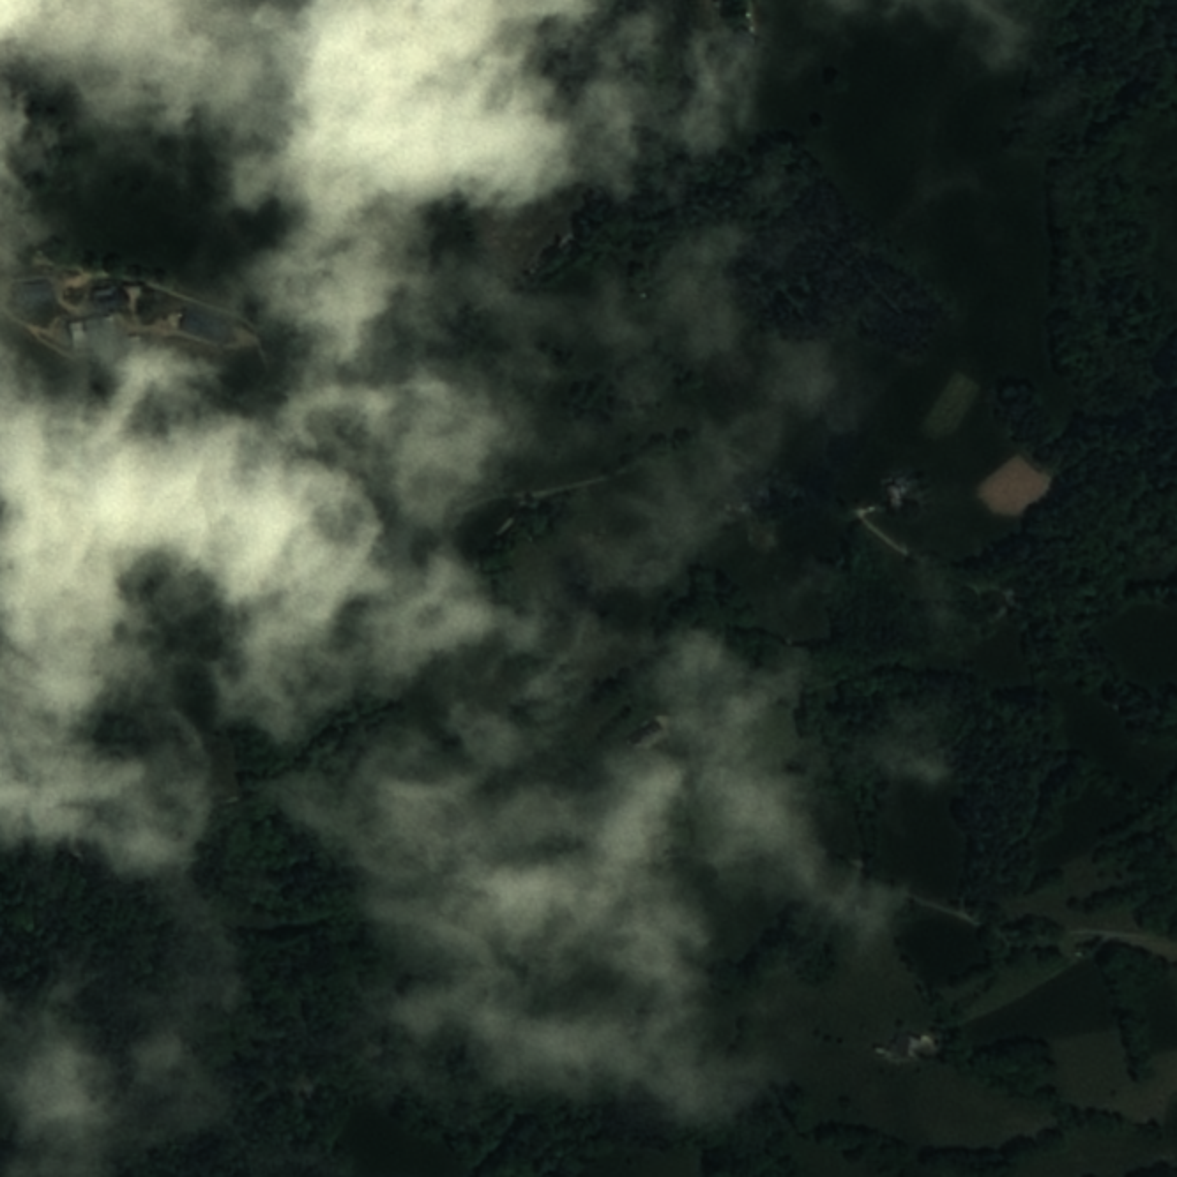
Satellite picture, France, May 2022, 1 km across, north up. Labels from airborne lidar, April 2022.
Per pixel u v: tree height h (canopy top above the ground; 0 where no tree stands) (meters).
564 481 0
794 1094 20
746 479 16
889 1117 0
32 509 0
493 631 0
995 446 0
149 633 11
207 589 0
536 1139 27
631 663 0
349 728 17
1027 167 0
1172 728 22
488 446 0
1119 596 19
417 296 10
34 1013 22
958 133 0
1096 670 25
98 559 0
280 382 0
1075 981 0
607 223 21
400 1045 22
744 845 0
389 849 25
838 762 16
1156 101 28
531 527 24
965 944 0
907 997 0
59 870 22
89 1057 28
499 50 26
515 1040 22
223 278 0
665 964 0
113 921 21
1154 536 24
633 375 14
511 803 0
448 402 21
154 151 0
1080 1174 0
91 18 0
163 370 0
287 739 15
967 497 0
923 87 0
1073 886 0
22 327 0
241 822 13
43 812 25
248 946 25
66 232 0
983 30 0
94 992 22
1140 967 23
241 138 11
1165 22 36
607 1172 0
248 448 0
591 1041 0
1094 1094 0
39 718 15
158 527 16
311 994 24
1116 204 29
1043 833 15
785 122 0
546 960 26
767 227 30
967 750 23
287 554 0
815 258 29
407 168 0
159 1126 27
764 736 0
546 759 0
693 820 0
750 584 0
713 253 25
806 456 0
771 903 0
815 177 24
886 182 0
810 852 0
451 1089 25
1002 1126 0
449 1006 21
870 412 0
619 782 22
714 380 0
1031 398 20
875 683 22
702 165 24
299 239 0
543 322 0
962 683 20
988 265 0
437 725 0
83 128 21
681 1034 31
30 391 0
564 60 29
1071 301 23
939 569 20
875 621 20
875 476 0
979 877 18
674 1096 28
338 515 15
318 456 18
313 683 8
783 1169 30
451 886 24
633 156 23
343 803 16
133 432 18
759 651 24
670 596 9
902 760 25
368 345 18
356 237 0
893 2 0
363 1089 24
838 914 19
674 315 0
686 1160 0
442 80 0
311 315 0
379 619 22
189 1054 26
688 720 0
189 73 14
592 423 26
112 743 20
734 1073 0
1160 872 23
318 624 15
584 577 0
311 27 0
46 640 0
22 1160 24
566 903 28
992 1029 0
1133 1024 22
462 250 0
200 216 0
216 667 0
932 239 0
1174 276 0
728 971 21
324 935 23
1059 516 26
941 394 0
